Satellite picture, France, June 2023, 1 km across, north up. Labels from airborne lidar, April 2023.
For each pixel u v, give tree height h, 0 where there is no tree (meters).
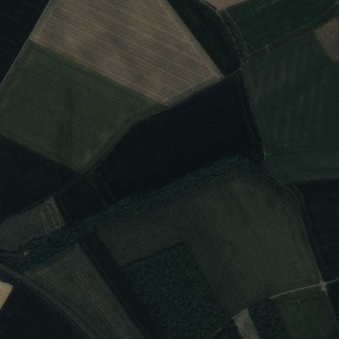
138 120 0
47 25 0
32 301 0
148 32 0
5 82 0
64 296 0
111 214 5
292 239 0
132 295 0
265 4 0
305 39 0
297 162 0
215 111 0
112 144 0
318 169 0
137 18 0
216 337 0
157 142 0
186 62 0
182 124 0
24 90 0
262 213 0
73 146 0
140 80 0
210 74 0
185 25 0
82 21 0
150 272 15
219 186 0
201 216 0
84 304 0
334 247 0
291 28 0
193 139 0
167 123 0
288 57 0
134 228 0
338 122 0
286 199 0
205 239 0
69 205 0
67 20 0
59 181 0
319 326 0
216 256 0
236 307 0
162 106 0
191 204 0
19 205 0
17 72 0
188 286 20
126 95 0
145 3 0
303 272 0
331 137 0
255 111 0
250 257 0
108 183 0
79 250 0
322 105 0
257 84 0
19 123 0
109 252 0
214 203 0
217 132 0
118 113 0
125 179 0
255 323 11
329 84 0
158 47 0
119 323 0
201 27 0
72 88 0
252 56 0
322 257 0
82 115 0
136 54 0
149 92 0
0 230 0
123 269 12
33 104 0
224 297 0
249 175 0
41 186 0
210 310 9
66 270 0
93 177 0
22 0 0
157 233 0
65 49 0
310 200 0
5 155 0
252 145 0
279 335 14
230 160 8
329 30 0
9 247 0
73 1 0
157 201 9
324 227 0
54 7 0
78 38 0
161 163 0
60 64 0
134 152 0
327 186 0
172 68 0
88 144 0
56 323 0
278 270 0
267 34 0
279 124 0
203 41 0
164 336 0
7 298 0
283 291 0
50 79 0
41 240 10
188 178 10
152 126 0
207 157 0
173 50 0
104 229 0
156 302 19
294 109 0
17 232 0
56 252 7
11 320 0
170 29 0
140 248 0
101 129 0
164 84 0
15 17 0
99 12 0
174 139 0
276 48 0
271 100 0
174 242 0
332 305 0
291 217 0
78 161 0
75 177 0
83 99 0
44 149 0
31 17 0
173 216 0
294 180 0
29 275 0
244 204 0
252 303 0
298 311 0
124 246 0
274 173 0
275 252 0
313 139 0
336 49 0
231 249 0
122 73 0
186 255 20
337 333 0
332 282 0
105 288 0
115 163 0
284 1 0
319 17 0
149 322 0
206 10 0
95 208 0
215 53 0
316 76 0
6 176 0
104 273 0
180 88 0
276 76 0
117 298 0
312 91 0
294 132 0
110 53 0
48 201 0
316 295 0
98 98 0
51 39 0
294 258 0
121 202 5
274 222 0
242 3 0
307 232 0
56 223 0
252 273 0
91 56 0
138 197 17
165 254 19
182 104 0
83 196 0
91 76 0
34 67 0
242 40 0
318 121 0
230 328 13
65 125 0
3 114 0
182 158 0
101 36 0
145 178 0
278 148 0
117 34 0
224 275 0
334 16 0
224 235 0
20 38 0
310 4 0
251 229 0
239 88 0
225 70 0
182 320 16
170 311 20
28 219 0
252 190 0
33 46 0
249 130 0
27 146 0
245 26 0
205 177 16
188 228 0
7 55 0
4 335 0
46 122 0
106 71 0
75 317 0
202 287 16
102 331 0
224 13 0
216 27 0
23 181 0
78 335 0
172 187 10
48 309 0
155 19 0
